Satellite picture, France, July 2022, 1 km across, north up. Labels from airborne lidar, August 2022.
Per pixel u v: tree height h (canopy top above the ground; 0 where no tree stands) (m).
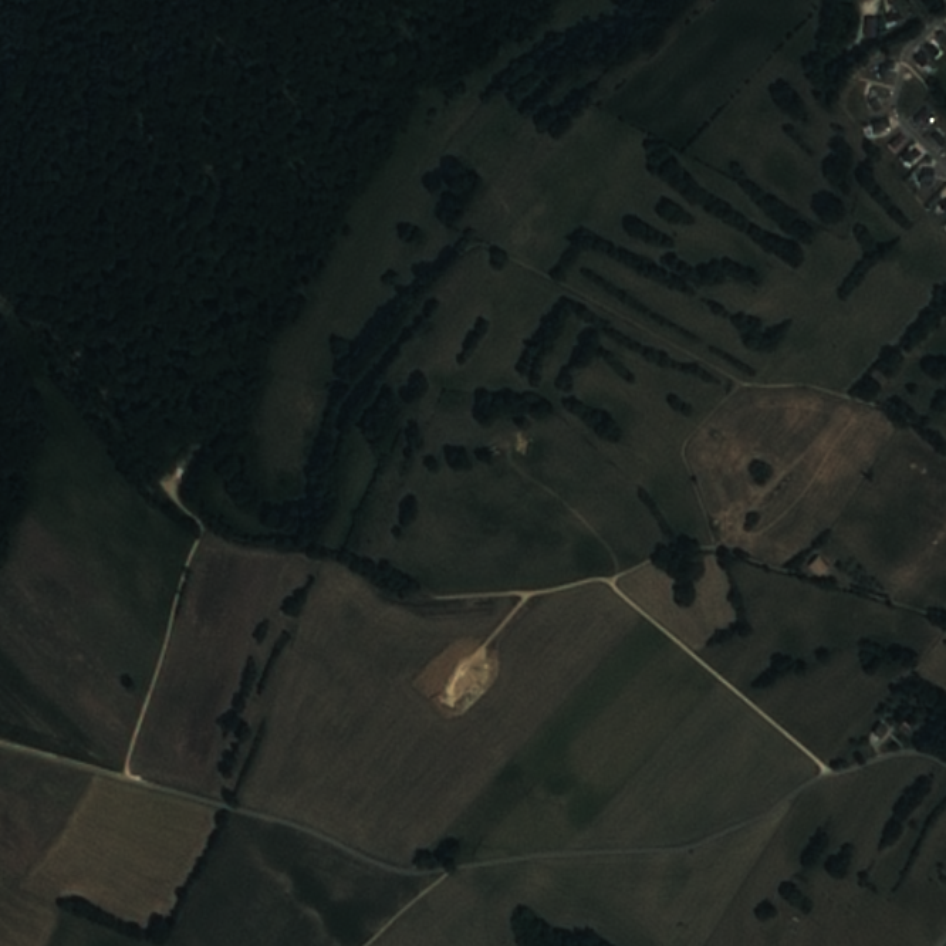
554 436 0
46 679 0
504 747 0
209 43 29
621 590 0
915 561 0
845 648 0
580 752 0
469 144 0
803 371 0
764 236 12
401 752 0
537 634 0
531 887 0
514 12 16
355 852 0
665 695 0
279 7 26
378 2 29
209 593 0
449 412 0
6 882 0
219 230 28
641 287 0
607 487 0
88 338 28
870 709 0
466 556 0
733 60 0
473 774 0
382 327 21
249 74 28
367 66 27
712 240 0
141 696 0
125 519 0
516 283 0
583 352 16
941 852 0
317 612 0
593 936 17
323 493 19
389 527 0
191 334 26
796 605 0
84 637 0
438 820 0
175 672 0
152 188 26
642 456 0
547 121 14
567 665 0
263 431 0
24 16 22
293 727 0
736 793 0
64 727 0
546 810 0
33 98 17
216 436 29
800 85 0
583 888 0
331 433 9
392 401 17
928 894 0
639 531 0
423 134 0
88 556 0
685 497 0
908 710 9
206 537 0
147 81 25
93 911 12
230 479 23
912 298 0
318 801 0
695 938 0
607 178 0
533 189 0
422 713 0
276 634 0
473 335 12
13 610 0
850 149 15
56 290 24
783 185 0
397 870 0
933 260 0
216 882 0
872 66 0
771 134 0
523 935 10
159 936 14
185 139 30
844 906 0
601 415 7
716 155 0
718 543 0
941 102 12
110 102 27
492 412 18
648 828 0
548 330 15
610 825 0
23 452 28
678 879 0
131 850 0
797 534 0
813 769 0
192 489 18
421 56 31
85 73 24
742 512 0
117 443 15
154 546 0
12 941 0
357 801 0
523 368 13
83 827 0
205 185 25
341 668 0
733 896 0
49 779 0
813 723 0
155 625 0
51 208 23
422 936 0
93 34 23
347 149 29
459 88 19
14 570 0
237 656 0
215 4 27
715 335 0
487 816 0
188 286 28
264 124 23
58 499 0
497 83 10
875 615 0
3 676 0
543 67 17
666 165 15
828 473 0
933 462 0
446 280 0
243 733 15
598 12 0
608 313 0
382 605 0
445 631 0
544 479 0
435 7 27
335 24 30
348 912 0
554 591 0
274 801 0
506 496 0
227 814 8
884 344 0
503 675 0
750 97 0
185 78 30
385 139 23
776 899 0
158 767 0
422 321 10
